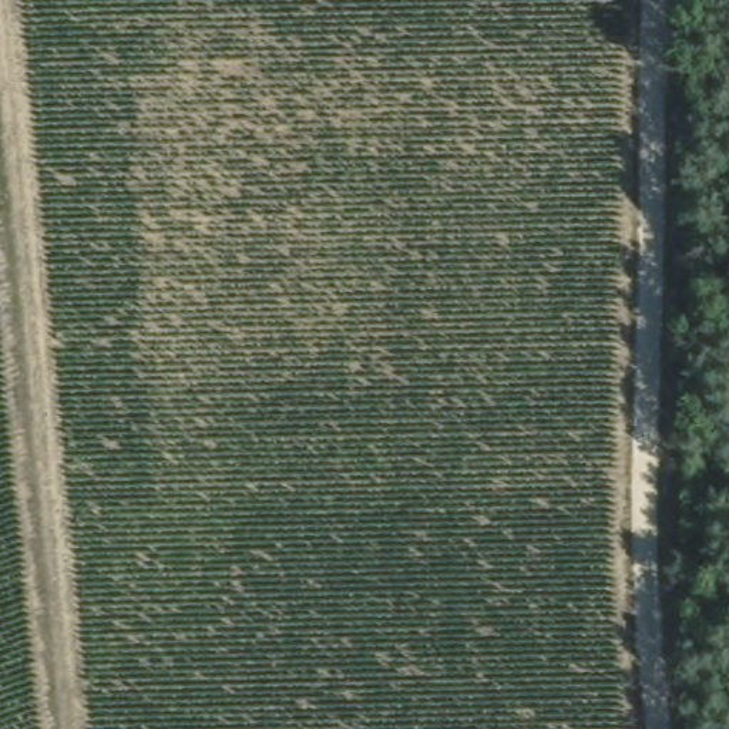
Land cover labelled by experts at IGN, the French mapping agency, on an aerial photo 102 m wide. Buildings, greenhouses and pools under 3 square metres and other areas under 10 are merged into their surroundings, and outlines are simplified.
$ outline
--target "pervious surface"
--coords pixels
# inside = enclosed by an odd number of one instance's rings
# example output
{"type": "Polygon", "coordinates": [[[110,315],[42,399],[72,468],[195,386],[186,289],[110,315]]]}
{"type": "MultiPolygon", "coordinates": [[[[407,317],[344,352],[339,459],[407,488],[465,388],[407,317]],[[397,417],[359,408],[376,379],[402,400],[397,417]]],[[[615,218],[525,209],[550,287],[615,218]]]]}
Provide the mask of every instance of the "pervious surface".
{"type": "Polygon", "coordinates": [[[632,68],[629,134],[641,140],[641,196],[632,205],[644,211],[649,234],[658,236],[664,231],[664,94],[672,74],[666,48],[672,46],[672,31],[678,26],[678,9],[686,0],[646,0],[641,6],[641,31],[632,34],[624,43],[624,48],[641,60],[641,65],[632,68]]]}
{"type": "Polygon", "coordinates": [[[624,626],[618,626],[618,638],[632,655],[632,666],[624,672],[624,692],[632,703],[632,709],[624,715],[624,729],[675,729],[666,709],[669,683],[664,675],[661,649],[661,595],[672,589],[669,584],[675,584],[675,575],[683,567],[683,555],[675,552],[669,567],[661,567],[669,550],[669,535],[664,530],[672,518],[672,495],[649,484],[652,470],[658,467],[655,424],[661,387],[664,282],[661,259],[655,256],[655,248],[646,242],[638,242],[641,262],[638,273],[629,276],[629,322],[621,333],[621,339],[629,347],[626,367],[635,373],[635,424],[629,436],[638,439],[632,444],[632,530],[626,530],[621,541],[626,558],[638,561],[644,572],[641,589],[629,595],[641,609],[635,615],[626,615],[624,626]]]}

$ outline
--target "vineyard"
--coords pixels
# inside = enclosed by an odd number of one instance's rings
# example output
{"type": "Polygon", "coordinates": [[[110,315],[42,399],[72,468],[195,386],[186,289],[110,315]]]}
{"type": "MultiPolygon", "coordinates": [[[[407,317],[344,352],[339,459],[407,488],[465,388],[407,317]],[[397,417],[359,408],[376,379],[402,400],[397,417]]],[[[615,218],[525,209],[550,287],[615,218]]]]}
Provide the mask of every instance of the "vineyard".
{"type": "Polygon", "coordinates": [[[626,530],[632,530],[632,444],[638,439],[629,436],[635,424],[635,373],[626,367],[629,347],[621,339],[621,333],[629,322],[629,276],[638,273],[641,262],[638,242],[646,242],[649,234],[644,211],[632,205],[641,196],[641,140],[629,134],[632,68],[641,65],[641,60],[624,48],[624,43],[632,34],[641,31],[641,6],[646,0],[14,0],[20,6],[23,43],[28,54],[26,80],[34,125],[34,165],[40,182],[40,222],[48,276],[46,288],[51,302],[48,333],[57,345],[51,356],[57,365],[63,478],[71,510],[68,535],[74,550],[77,618],[83,644],[80,678],[85,681],[88,729],[624,729],[624,715],[632,709],[632,703],[624,692],[624,672],[632,666],[632,655],[618,638],[618,626],[624,626],[626,615],[635,615],[641,609],[629,595],[641,589],[644,572],[638,561],[626,558],[621,541],[626,530]]]}
{"type": "Polygon", "coordinates": [[[0,729],[40,729],[0,359],[0,729]]]}

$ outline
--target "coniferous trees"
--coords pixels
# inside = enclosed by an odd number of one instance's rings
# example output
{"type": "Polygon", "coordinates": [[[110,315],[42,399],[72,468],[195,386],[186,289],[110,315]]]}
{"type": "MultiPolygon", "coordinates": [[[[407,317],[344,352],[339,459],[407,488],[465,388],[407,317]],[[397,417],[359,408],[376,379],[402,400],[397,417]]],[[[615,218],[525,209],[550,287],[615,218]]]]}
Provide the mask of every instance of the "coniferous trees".
{"type": "Polygon", "coordinates": [[[683,609],[675,615],[672,626],[672,644],[681,644],[683,658],[681,678],[692,683],[701,669],[709,669],[712,678],[706,703],[681,703],[681,715],[692,715],[701,720],[701,726],[695,729],[729,729],[729,490],[709,501],[709,567],[698,572],[698,584],[686,595],[683,609]]]}
{"type": "Polygon", "coordinates": [[[709,384],[709,393],[681,396],[678,424],[689,433],[683,450],[683,470],[686,476],[695,476],[703,467],[703,453],[709,453],[720,458],[723,470],[729,473],[729,0],[686,0],[678,9],[678,26],[672,31],[672,46],[666,48],[672,74],[681,71],[686,77],[686,94],[692,105],[701,111],[701,125],[695,131],[701,151],[689,154],[681,168],[683,188],[692,188],[698,196],[698,211],[686,211],[678,219],[681,225],[695,222],[701,228],[701,234],[695,236],[695,248],[689,248],[689,253],[695,259],[701,256],[703,262],[715,262],[715,276],[695,282],[698,299],[689,302],[686,313],[675,322],[675,333],[695,345],[698,376],[709,384]]]}

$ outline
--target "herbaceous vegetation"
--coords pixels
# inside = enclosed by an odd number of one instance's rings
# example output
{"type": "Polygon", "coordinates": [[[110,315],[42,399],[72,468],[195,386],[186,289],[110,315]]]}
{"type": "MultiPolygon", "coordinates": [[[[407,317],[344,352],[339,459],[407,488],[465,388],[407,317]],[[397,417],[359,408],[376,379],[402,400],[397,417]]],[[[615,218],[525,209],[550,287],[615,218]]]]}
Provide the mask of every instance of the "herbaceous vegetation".
{"type": "Polygon", "coordinates": [[[666,709],[675,729],[695,729],[701,726],[701,720],[692,715],[681,715],[681,703],[706,703],[712,678],[709,669],[701,669],[692,683],[681,678],[683,658],[681,644],[672,644],[672,626],[675,615],[683,609],[686,595],[698,584],[698,572],[709,567],[709,501],[729,490],[729,473],[723,470],[720,458],[709,453],[703,453],[703,467],[695,476],[686,476],[683,470],[683,450],[689,433],[678,424],[681,396],[709,393],[709,384],[698,376],[695,345],[675,333],[675,322],[686,313],[689,302],[698,299],[695,282],[715,276],[715,262],[703,262],[701,256],[695,259],[689,253],[689,248],[695,248],[695,236],[701,234],[701,228],[695,222],[681,225],[678,219],[686,211],[698,211],[698,196],[692,188],[683,188],[681,168],[689,154],[701,151],[695,131],[701,125],[701,111],[692,105],[686,94],[686,77],[681,71],[672,74],[664,94],[664,231],[658,236],[649,234],[646,242],[655,248],[655,256],[661,259],[664,282],[661,387],[655,424],[658,467],[652,470],[649,484],[672,495],[672,518],[664,530],[669,535],[669,550],[661,567],[669,567],[675,552],[683,555],[683,567],[675,575],[675,584],[669,584],[672,589],[661,595],[661,649],[664,675],[669,683],[666,709]]]}
{"type": "Polygon", "coordinates": [[[63,478],[57,365],[51,356],[57,345],[48,333],[51,302],[46,288],[48,276],[40,222],[40,182],[34,165],[34,125],[26,80],[28,54],[23,43],[20,6],[14,0],[0,0],[0,359],[40,729],[88,729],[85,681],[80,678],[83,644],[77,618],[74,550],[68,535],[71,510],[63,478]]]}

